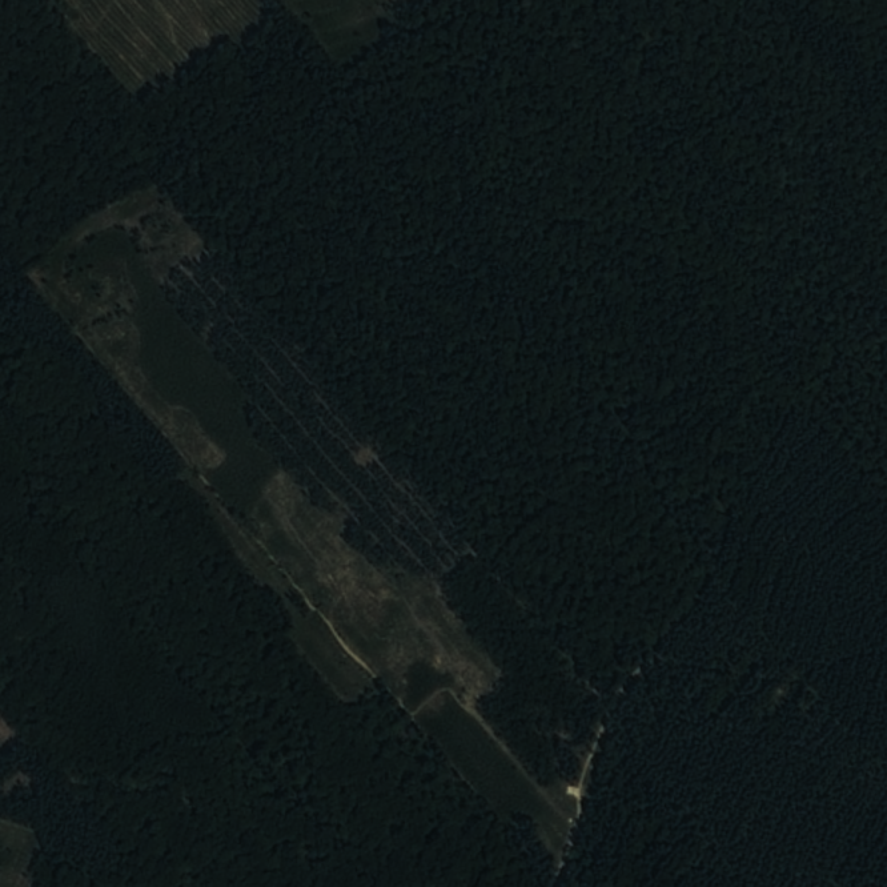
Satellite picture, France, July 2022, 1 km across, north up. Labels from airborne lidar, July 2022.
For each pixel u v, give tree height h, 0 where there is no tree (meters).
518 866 10
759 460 17
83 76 19
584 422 25
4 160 24
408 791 22
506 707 22
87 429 23
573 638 20
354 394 19
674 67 18
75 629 21
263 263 20
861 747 14
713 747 15
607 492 19
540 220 21
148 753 22
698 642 22
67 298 0
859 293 15
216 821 23
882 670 23
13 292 12
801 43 19
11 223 27
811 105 18
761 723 16
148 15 0
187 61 0
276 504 0
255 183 24
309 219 20
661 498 23
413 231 16
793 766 24
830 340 26
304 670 23
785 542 20
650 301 22
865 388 19
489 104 24
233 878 24
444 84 21
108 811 19
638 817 25
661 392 25
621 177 26
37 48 23
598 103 21
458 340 15
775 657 17
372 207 18
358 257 20
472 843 27
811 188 26
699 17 24
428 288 24
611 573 22
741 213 24
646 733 23
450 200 23
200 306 20
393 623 0
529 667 24
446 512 27
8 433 14
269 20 22
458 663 0
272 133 19
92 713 15
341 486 20
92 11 0
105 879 27
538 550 14
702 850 17
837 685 18
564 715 14
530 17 21
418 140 17
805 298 20
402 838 27
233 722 22
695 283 24
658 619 23
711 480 19
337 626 0
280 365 23
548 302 23
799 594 15
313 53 24
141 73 0
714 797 23
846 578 18
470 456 27
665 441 21
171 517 23
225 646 21
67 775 22
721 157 18
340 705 16
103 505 22
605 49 25
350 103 20
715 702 10
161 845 26
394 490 21
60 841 20
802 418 21
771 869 25
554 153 22
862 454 14
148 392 0
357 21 0
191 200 22
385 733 24
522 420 24
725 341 17
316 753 22
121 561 22
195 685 24
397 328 23
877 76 20
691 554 21
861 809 19
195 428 0
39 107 26
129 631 12
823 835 17
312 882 20
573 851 19
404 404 20
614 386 18
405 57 22
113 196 20
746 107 20
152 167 22
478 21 23
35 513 28
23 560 18
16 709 23
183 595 23
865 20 15
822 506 19
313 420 21
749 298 18
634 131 16
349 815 20
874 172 20
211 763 22
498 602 24
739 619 16
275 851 19
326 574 0
